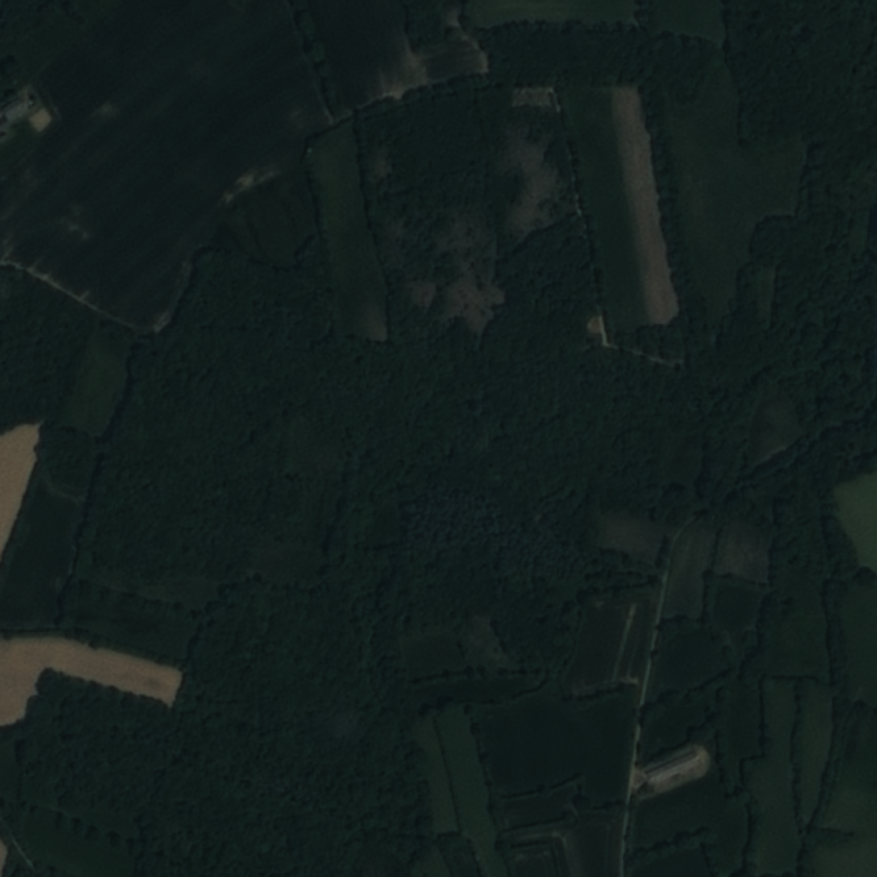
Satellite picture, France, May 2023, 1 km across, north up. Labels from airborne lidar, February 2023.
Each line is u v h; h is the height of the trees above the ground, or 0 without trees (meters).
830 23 16
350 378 17
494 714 0
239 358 17
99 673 0
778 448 0
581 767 0
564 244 12
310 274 19
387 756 20
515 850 6
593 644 0
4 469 0
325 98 12
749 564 0
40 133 0
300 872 14
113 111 0
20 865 7
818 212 22
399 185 7
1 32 23
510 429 19
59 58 0
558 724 0
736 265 0
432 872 0
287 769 6
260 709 13
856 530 0
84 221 0
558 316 14
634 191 0
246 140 0
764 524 14
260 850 14
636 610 0
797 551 19
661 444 13
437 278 9
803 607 0
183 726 8
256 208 0
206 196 0
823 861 0
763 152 0
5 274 15
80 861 0
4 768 0
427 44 14
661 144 14
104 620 0
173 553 17
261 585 26
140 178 0
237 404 16
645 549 0
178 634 0
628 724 0
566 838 0
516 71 14
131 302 0
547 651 17
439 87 11
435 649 0
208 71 0
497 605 20
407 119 10
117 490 14
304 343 11
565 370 14
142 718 16
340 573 19
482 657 0
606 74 18
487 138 11
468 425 18
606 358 16
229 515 11
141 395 18
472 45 0
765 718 9
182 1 0
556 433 15
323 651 15
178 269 0
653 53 19
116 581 0
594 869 0
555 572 19
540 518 17
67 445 19
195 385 18
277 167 0
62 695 18
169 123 0
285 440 19
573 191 7
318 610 17
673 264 15
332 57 0
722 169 0
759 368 10
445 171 10
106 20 0
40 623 0
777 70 13
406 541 15
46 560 0
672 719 0
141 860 17
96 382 0
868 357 12
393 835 6
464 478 17
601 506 14
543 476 16
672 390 14
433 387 17
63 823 16
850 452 5
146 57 0
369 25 0
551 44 18
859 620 0
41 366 15
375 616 15
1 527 0
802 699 10
